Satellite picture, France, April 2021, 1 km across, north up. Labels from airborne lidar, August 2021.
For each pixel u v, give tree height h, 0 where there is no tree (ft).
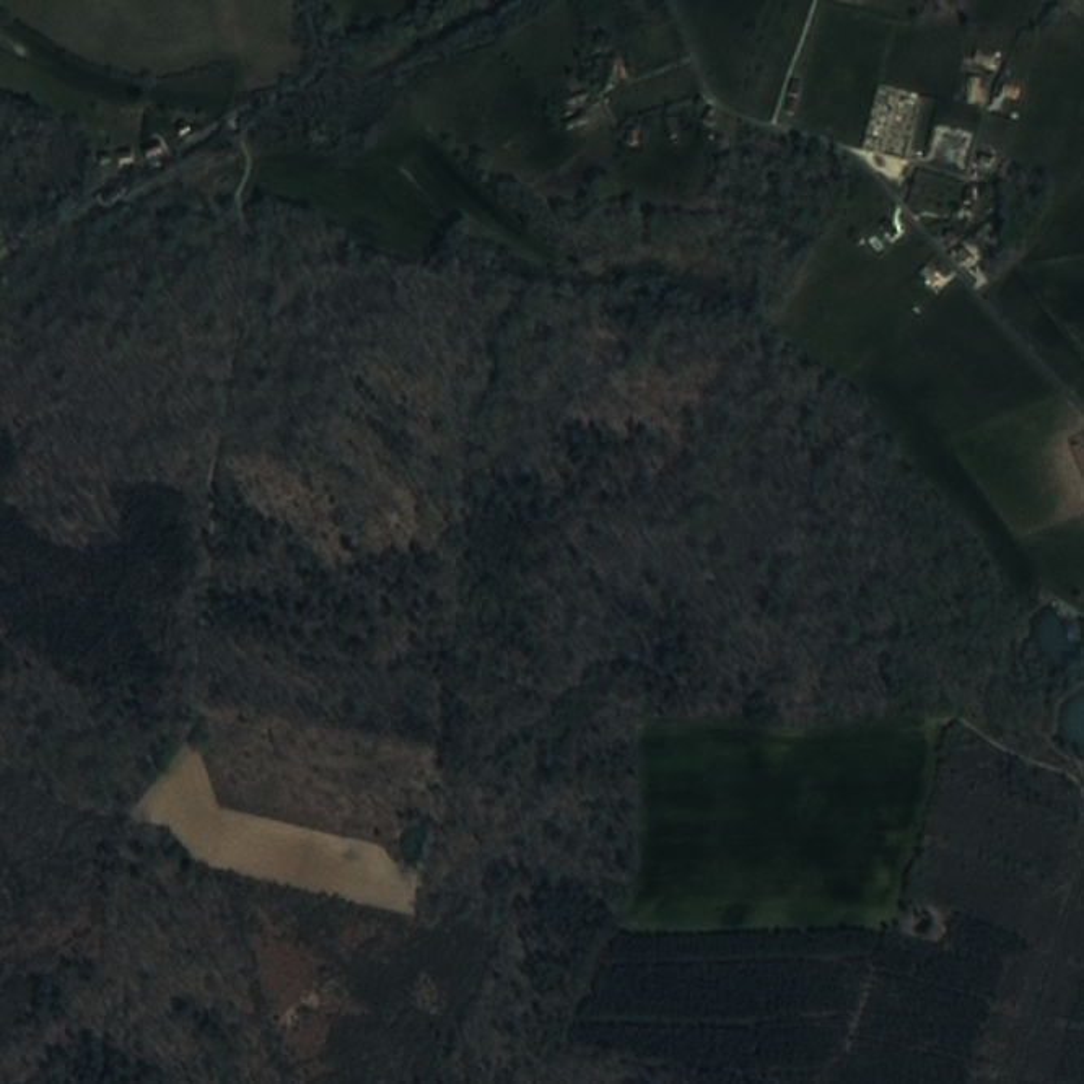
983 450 0
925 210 0
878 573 49
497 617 62
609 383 53
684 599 61
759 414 79
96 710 23
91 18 0
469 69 0
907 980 33
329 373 44
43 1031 39
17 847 21
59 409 64
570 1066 37
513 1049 31
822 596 63
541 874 53
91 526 52
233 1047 46
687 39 0
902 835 0
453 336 62
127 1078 66
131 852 52
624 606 60
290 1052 20
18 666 46
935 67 0
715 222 60
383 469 53
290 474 75
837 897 0
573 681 36
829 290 0
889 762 0
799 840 0
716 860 0
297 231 67
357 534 63
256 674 53
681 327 59
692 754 0
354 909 23
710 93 0
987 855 19
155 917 60
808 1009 37
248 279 42
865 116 0
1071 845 18
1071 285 0
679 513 57
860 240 35
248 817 0
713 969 35
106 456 59
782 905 0
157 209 45
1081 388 0
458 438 75
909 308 0
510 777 41
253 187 0
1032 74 0
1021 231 60
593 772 59
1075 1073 28
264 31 0
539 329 70
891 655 56
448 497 67
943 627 90
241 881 20
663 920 0
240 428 40
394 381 49
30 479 41
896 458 67
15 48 0
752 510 64
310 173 0
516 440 59
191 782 0
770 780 0
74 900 24
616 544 52
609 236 75
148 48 0
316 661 68
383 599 44
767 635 41
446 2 60
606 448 74
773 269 74
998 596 83
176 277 52
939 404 0
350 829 0
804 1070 35
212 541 43
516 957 31
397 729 50
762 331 89
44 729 49
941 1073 36
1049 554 0
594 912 75
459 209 0
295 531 64
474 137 0
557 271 24
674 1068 31
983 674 78
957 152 0
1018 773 27
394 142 0
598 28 0
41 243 50
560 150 0
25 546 51
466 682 82
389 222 0
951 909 24
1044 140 0
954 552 77
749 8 0
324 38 75
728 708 50
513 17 43
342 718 48
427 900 29
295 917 21
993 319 0
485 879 42
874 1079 38
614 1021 20
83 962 35
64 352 42
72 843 19
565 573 63
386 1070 27
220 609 74
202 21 0
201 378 44
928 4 44
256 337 26
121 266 53
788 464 55
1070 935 0
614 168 0
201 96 0
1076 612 0
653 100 0
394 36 68
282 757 70
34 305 38
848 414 70
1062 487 0
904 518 70
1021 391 0
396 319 67
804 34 0
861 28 0
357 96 32
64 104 0
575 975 82
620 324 98
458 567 0
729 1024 28
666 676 60
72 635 43
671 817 0
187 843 0
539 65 0
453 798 49
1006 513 0
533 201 46
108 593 34
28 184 65
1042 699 74
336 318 46
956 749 23
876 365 0
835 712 56
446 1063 26
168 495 49
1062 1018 27
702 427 77
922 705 63
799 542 75
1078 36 0
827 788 0
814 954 40
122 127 0
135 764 41
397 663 36
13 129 71
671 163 0
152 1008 48
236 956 49
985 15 0
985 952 33
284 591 44
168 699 33
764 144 34
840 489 59
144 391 36
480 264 69
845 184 57
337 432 45
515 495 81
